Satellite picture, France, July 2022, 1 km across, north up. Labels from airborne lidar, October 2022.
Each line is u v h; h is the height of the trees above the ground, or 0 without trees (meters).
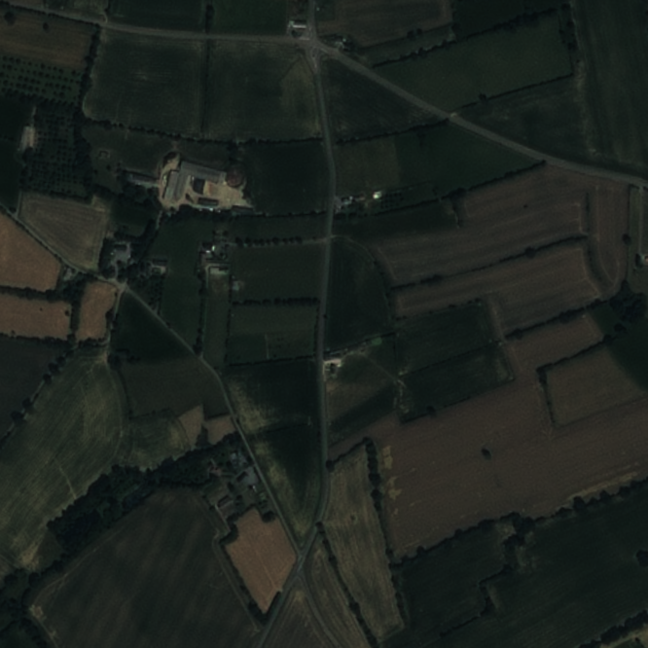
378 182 0
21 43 0
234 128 0
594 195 0
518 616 0
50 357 0
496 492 0
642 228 0
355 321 0
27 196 0
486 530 13
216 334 0
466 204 0
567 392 0
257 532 0
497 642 0
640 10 0
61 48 0
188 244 0
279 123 0
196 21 0
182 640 0
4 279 0
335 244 0
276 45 0
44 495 0
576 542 0
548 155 0
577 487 0
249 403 0
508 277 0
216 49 0
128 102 0
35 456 0
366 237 0
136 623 0
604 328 0
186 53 0
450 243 0
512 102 0
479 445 0
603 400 0
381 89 0
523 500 0
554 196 0
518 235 0
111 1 5
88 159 16
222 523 0
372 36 0
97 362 0
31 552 0
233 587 0
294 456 0
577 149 0
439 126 7
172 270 0
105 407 0
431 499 0
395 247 0
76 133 13
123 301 0
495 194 0
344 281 0
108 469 0
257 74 0
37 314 0
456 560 0
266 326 0
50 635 0
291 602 0
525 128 0
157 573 0
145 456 0
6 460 0
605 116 0
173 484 13
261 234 0
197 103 0
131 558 0
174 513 0
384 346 0
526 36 0
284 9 0
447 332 0
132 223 0
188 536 0
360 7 0
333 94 0
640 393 0
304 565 0
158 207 11
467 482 0
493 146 0
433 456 0
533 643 0
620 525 0
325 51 0
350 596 6
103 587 0
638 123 0
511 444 0
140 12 0
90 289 0
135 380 0
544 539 0
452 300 0
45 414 0
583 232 0
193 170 0
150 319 0
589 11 0
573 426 0
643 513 0
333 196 0
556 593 0
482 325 0
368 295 0
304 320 0
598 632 0
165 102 0
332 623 0
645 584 0
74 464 0
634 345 0
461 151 0
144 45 0
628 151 0
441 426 0
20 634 0
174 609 0
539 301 0
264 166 0
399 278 0
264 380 0
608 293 0
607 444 0
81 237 0
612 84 0
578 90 0
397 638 0
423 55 15
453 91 0
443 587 0
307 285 0
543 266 0
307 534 0
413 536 0
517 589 0
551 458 0
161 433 0
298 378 0
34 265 0
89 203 8
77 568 0
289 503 0
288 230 0
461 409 0
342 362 0
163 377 0
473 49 0
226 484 0
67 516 14
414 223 0
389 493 0
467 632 0
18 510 0
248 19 0
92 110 0
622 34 0
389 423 0
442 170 0
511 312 0
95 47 8
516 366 0
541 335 0
